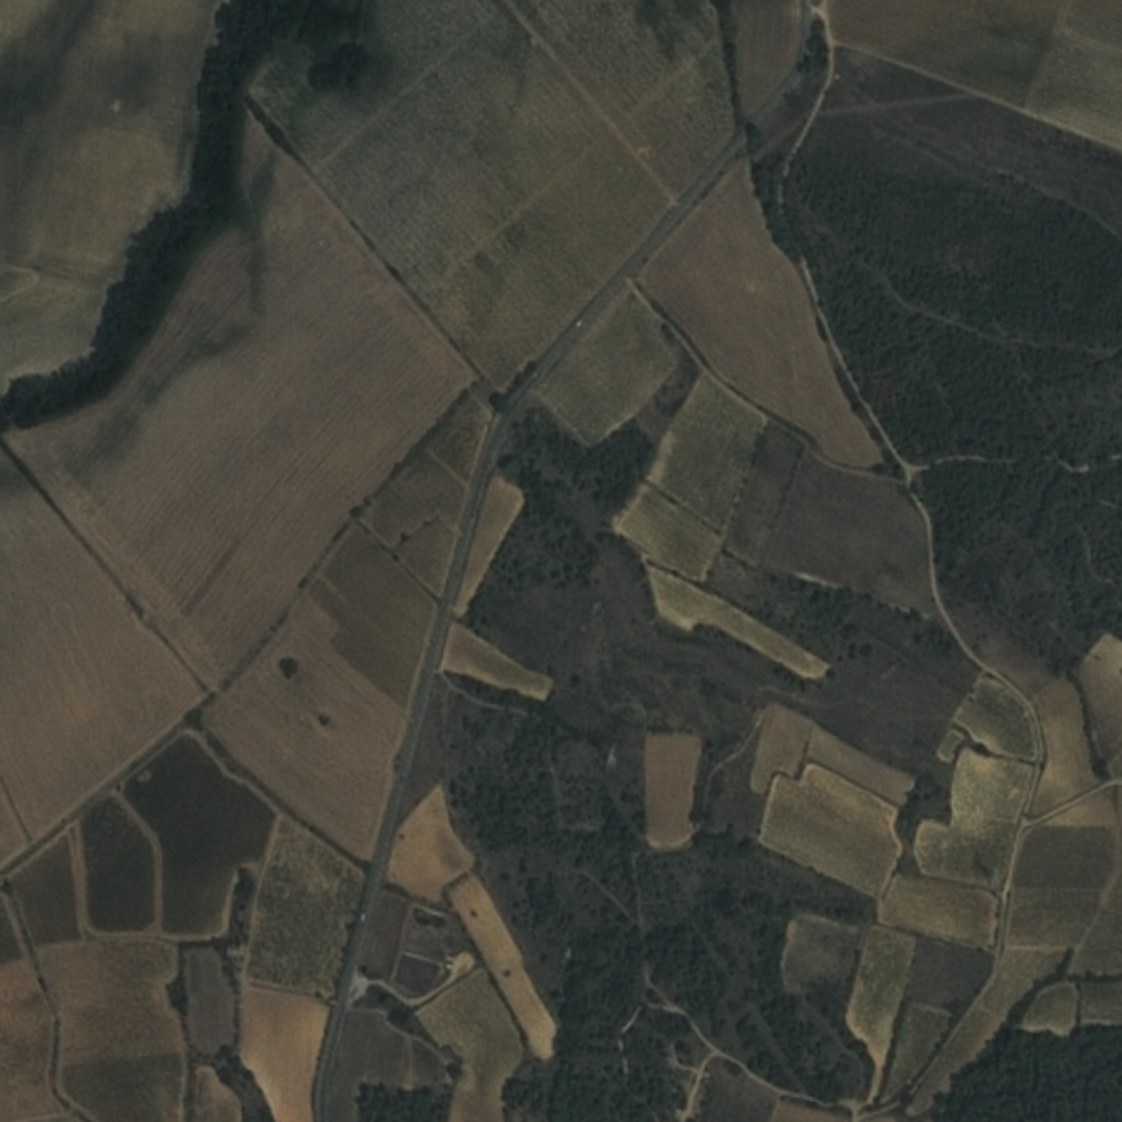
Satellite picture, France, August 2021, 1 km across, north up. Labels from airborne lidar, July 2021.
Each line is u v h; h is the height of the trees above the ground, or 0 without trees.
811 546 0
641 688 0
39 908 0
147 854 0
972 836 0
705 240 0
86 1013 0
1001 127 0
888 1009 0
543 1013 0
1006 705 0
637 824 7
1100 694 0
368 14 0
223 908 0
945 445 6
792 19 0
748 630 0
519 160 0
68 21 0
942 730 0
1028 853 0
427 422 0
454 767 0
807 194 6
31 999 0
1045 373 5
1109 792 0
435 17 0
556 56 0
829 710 0
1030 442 12
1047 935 0
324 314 0
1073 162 0
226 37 12
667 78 0
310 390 0
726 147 0
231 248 0
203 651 0
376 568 0
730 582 0
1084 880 0
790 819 0
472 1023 0
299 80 0
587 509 0
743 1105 0
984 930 0
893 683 0
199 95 6
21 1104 0
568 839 9
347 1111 0
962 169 0
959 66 0
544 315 0
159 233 16
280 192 0
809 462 0
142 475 0
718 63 0
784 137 0
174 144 0
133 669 0
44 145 0
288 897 0
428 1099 12
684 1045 13
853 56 0
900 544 0
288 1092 0
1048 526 11
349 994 0
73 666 0
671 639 0
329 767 0
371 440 0
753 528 0
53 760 0
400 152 0
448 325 0
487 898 0
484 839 10
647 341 0
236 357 0
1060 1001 0
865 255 7
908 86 0
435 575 0
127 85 0
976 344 6
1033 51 0
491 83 0
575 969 10
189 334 0
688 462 0
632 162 0
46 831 0
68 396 15
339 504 0
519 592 8
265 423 0
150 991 0
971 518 8
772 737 0
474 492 0
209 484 0
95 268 0
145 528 0
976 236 0
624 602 0
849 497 0
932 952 0
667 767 0
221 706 0
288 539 0
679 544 0
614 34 0
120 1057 0
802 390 0
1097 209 0
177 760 0
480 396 0
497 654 0
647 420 0
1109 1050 11
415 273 0
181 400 0
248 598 0
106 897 0
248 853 0
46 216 0
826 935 0
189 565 0
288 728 0
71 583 0
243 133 0
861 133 0
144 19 0
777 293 0
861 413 12
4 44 0
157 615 0
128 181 0
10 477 0
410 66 0
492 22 0
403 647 0
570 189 0
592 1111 11
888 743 0
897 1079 0
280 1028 0
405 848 0
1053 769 0
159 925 0
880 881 0
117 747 0
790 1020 12
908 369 9
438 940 0
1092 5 0
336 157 0
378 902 0
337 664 0
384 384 0
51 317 0
